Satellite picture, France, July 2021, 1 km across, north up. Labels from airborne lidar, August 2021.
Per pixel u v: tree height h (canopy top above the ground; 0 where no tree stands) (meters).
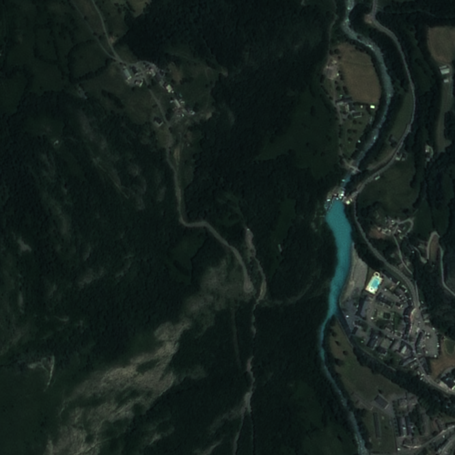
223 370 16
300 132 0
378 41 17
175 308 20
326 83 0
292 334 12
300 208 12
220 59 14
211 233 14
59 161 12
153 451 14
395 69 22
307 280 11
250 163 23
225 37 17
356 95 0
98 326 15
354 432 22
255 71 13
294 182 11
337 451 0
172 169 10
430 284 15
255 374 16
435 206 7
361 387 0
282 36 9
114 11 0
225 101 11
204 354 14
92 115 7
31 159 10
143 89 0
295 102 21
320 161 0
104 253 17
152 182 16
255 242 12
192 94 0
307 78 20
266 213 10
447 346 0
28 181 17
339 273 0
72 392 0
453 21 16
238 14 25
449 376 14
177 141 11
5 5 10
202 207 19
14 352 6
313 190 20
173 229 16
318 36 9
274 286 21
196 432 18
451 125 7
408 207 0
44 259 12
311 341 17
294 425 20
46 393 0
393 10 10
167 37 12
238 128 29
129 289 12
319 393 12
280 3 15
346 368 0
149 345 0
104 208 14
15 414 0
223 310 11
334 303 0
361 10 13
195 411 19
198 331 11
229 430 21
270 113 25
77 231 13
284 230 0
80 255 10
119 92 0
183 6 24
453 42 0
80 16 0
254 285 7
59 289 11
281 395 21
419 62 13
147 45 21
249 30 20
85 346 8
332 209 0
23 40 0
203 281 0
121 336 14
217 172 28
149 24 25
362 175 14
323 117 0
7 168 16
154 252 20
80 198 11
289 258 13
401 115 0
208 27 20
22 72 12
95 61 0
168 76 16
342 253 0
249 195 17
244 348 14
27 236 10
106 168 0
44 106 19
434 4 18
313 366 8
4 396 0
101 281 13
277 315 18
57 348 9
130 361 0
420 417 7
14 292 6
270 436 21
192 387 23
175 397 20
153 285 11
